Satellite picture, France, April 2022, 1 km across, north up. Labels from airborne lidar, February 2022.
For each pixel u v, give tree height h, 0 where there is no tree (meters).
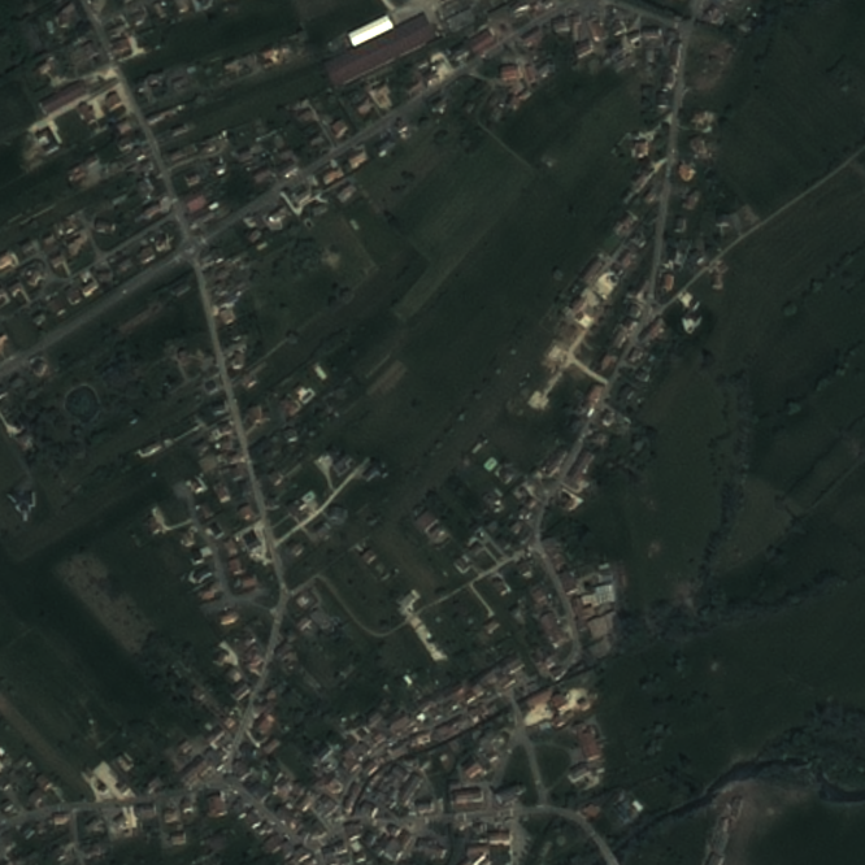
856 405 0
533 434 0
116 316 0
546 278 0
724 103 0
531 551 0
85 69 0
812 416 0
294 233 7
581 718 0
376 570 0
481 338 0
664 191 0
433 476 0
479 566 0
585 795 14
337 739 8
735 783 0
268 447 7
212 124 0
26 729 0
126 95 0
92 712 0
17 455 0
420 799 0
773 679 0
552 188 0
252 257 0
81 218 0
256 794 0
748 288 0
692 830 0
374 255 0
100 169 0
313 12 0
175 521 0
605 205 0
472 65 0
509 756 0
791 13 15
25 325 0
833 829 0
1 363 0
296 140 0
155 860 0
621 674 0
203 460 0
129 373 13
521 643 0
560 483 0
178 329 0
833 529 0
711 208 0
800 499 0
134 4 0
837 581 17
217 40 0
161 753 0
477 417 0
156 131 0
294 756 0
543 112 0
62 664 0
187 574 0
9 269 0
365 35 0
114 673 0
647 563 0
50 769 0
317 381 0
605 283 0
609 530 0
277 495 0
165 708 0
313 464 0
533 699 0
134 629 0
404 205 0
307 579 0
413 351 0
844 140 0
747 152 0
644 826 12
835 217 0
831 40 0
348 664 0
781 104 0
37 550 0
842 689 0
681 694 0
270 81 0
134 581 0
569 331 0
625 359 0
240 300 0
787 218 0
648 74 0
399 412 0
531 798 0
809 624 0
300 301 0
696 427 0
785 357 0
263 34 0
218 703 0
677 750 0
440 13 0
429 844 0
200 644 0
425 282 0
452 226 0
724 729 0
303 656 0
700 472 0
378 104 0
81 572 0
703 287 0
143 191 0
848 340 0
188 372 0
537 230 0
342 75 0
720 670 0
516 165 0
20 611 0
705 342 0
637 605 0
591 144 0
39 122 0
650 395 0
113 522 0
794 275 0
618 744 0
